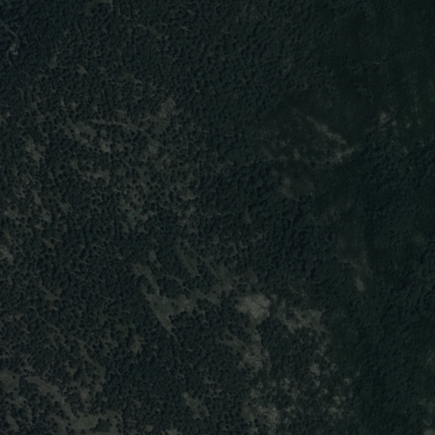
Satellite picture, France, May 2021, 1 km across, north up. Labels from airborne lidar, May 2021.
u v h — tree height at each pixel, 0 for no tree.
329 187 6
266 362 6
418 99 7
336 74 8
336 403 8
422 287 24
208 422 24
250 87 25
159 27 22
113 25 30
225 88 24
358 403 22
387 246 22
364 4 20
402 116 10
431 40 12
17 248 18
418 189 18
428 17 12
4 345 7
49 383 8
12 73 21
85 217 20
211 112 33
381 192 19
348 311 7
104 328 23
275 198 34
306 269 27
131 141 23
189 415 24
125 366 26
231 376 31
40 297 24
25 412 19
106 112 23
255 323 0
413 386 19
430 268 29
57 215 17
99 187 18
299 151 6
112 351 16
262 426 24
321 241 33
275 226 9
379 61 7
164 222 28
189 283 22
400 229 21
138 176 21
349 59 22
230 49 31
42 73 17
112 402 18
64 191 24
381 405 17
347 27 7
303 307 10
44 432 18
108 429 19
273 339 25
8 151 26
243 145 32
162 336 22
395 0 16
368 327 16
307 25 19
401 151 11
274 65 28
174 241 22
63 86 28
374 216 27
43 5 16
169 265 30
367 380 13
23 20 26
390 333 20
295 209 17
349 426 9
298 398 11
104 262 20
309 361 15
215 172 26
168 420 24
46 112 25
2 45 17
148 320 25
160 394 30
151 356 22
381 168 21
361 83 7
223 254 10
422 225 16
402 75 11
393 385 34
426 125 9
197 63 30
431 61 8
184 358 30
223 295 11
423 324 10
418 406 9
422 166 10
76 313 29
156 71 21
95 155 18
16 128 23
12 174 15
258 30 26
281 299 12
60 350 11
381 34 7
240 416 22
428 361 8
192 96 25
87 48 19
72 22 21
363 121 6
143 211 8
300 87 15
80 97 21
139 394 27
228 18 25
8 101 18
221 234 13
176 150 14
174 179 13
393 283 15
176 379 20
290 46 13
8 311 17
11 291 20
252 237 16
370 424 18
